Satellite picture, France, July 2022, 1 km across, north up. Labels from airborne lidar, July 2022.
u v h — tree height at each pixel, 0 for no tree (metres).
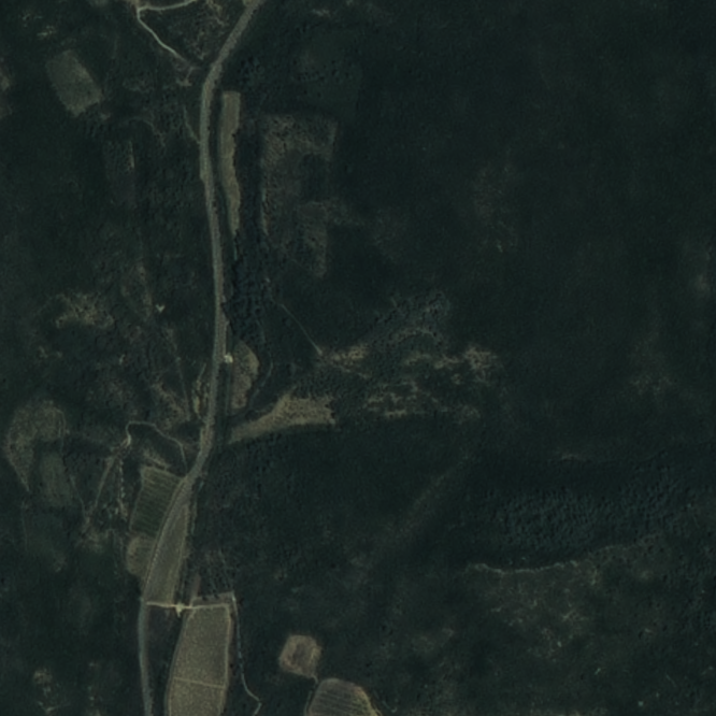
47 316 5
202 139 0
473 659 7
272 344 9
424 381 7
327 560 6
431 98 5
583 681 8
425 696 11
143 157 8
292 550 7
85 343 8
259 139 8
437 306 12
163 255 8
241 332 15
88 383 7
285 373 6
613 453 7
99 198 6
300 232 8
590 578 0
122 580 6
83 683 7
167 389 11
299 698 6
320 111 7
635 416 7
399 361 8
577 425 6
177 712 0
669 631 14
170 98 15
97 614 5
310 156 8
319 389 10
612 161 7
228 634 0
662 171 6
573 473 8
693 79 7
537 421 5
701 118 8
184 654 0
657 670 10
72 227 7
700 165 6
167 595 0
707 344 6
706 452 8
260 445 12
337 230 6
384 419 8
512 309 6
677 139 6
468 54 6
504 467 6
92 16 6
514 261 6
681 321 7
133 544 0
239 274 20
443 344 9
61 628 6
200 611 0
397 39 7
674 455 6
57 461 0
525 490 5
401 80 5
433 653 0
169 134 8
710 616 17
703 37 6
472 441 10
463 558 5
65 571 8
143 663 0
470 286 7
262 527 9
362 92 6
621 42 5
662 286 7
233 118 0
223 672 0
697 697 13
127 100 9
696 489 7
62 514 7
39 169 5
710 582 6
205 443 0
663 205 6
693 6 6
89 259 9
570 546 9
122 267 11
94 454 12
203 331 8
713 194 7
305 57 0
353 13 5
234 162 7
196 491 7
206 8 10
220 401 11
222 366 8
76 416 6
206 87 0
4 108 0
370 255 8
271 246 7
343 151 7
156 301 7
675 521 11
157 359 10
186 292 8
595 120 6
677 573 10
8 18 6
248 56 7
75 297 7
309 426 11
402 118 7
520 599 0
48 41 7
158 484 0
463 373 9
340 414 10
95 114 15
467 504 6
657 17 6
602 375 6
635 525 10
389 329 10
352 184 6
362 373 7
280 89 6
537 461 6
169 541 0
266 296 13
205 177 0
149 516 0
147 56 6
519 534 12
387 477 6
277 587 6
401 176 6
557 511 17
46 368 6
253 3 0
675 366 6
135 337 10
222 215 8
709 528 9
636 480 12
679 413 6
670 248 6
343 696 0
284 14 7
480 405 7
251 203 7
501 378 9
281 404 0
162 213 6
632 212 6
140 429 6
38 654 6
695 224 6
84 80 0
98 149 7
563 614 0
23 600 6
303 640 0
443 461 5
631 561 7
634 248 6
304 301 6
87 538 10
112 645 8
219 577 8
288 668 0
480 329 6
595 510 11
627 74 6
